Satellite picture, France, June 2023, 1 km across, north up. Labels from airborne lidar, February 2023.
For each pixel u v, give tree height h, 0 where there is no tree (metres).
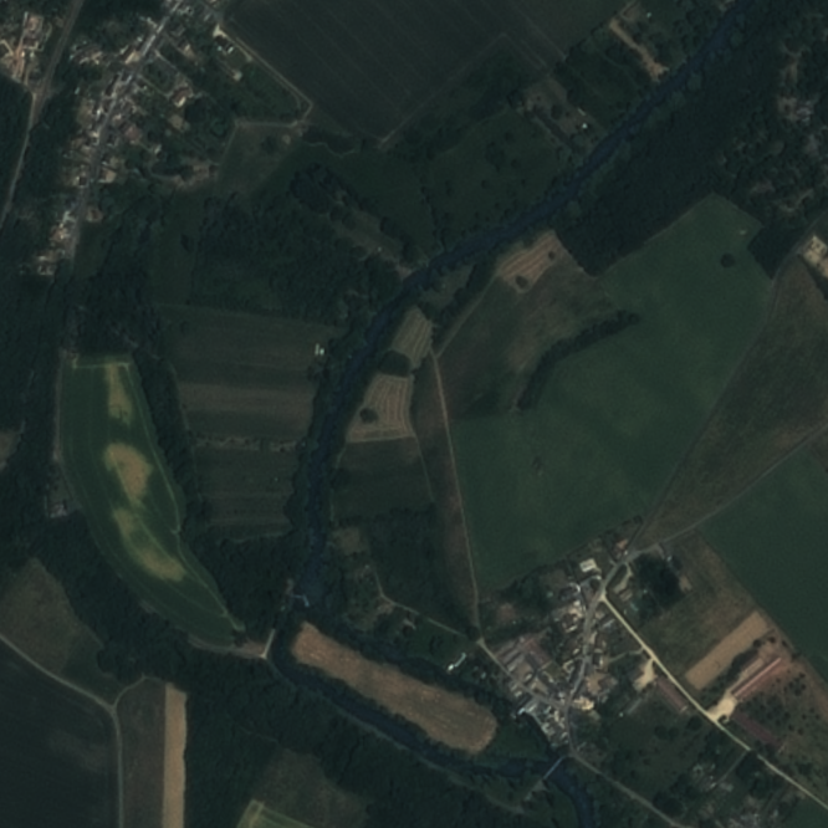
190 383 0
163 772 0
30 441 17
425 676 15
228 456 0
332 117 0
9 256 16
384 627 13
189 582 0
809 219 12
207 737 11
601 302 0
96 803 0
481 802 18
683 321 0
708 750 8
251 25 0
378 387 0
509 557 0
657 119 25
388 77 0
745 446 0
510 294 0
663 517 0
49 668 0
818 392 0
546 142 0
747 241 0
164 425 17
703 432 0
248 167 0
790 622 0
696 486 0
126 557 0
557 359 12
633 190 20
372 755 19
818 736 0
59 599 0
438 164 0
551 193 7
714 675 0
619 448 0
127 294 25
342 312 6
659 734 8
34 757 0
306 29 0
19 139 12
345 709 0
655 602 8
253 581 16
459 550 0
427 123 6
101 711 0
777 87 18
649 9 0
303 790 0
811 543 0
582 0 0
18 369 13
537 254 0
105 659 15
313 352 0
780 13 18
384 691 0
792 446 0
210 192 0
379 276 18
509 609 0
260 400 0
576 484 0
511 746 0
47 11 13
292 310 6
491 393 0
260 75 0
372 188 0
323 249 9
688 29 23
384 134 0
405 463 0
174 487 0
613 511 0
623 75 8
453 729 0
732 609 0
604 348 0
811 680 0
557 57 0
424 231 0
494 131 0
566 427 0
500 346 0
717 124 23
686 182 24
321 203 35
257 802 0
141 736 0
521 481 0
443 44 0
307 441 11
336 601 22
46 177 16
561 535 0
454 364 0
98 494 0
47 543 17
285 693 25
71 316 27
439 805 23
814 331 0
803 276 0
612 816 13
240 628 0
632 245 21
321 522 15
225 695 15
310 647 0
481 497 0
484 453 0
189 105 0
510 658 0
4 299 15
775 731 0
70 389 0
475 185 0
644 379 0
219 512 0
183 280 0
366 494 0
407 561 0
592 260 21
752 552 0
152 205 11
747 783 12
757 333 0
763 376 0
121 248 17
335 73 0
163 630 19
